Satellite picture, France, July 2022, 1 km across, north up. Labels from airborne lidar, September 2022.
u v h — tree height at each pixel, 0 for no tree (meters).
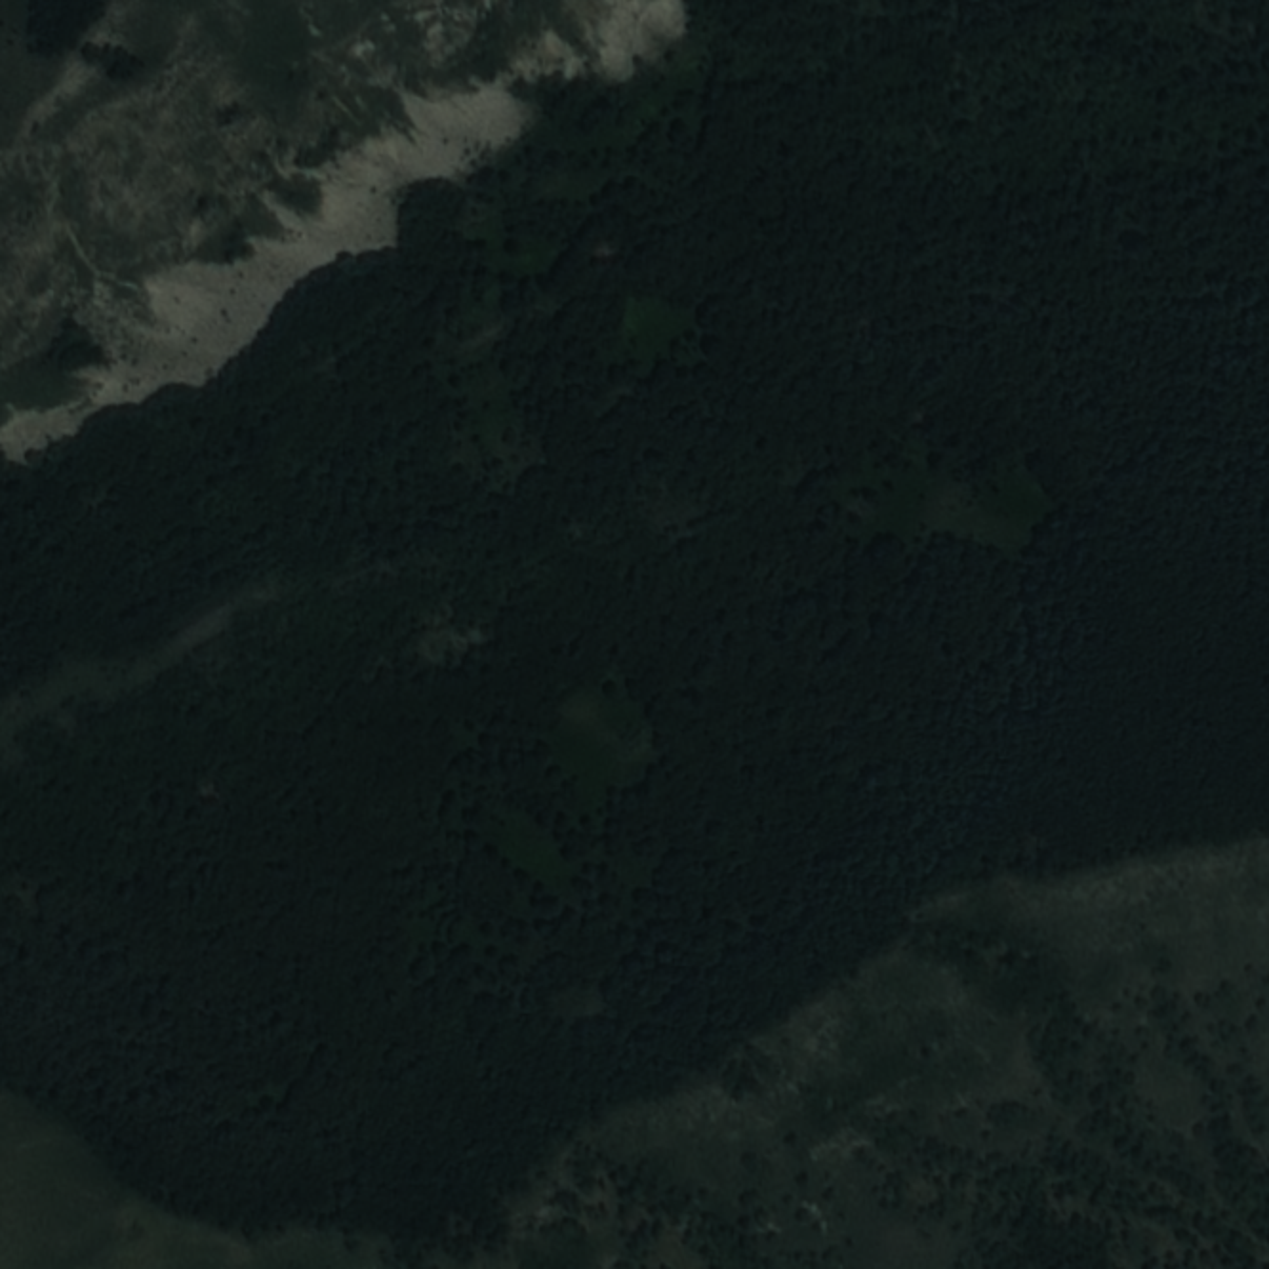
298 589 6
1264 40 21
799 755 19
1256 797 22
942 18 21
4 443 0
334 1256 0
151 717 7
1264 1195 10
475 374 6
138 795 19
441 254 16
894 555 22
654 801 26
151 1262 0
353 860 17
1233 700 25
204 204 9
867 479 0
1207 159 17
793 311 16
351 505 21
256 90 0
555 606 14
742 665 18
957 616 31
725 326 22
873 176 19
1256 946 0
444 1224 14
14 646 14
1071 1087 12
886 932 14
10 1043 18
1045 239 25
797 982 11
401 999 16
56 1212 0
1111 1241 13
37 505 13
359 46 0
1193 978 0
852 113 16
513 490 12
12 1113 0
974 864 7
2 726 0
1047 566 20
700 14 11
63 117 0
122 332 0
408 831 18
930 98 16
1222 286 26
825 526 22
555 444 17
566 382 7
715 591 21
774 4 8
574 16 0
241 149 0
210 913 17
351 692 14
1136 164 9
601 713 0
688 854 14
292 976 13
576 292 7
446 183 10
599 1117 8
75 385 0
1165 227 23
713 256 20
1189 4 15
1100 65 11
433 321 17
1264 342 19
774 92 18
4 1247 0
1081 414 24
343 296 13
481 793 9
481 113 0
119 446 19
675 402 12
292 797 23
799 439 19
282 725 14
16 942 22
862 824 27
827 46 13
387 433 14
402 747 18
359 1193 18
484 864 18
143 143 0
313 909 19
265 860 13
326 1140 12
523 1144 15
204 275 0
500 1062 16
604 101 8
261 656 16
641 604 18
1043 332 22
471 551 19
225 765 20
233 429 14
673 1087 8
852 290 18
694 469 14
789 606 21
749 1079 14
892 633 23
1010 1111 14
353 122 0
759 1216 11
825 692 20
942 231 18
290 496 12
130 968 22
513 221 12
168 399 14
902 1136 14
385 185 0
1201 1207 10
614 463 15
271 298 0
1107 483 26
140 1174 19
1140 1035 9
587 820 14
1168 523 29
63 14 11
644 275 17
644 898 12
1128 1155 10
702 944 21
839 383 21
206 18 0
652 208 11
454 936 11
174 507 14
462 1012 11
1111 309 23
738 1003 12
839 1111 7
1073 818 24
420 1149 16
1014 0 24
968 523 0
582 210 8
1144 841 14
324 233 0
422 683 17
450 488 16
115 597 13
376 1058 12
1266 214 28
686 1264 0
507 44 0
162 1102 16
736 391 17
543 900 12
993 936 10
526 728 17
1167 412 22
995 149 12
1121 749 26
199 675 11
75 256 0
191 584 16
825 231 22
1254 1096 12
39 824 13
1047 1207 17
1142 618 26
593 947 14
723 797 13
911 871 17
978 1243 7
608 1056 15
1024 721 29
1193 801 21
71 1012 17
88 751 7
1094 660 24
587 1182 13
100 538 15
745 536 21
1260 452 29
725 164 21
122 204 0
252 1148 17
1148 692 30
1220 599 32
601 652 18
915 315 23
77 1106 18
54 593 11
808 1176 12
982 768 19
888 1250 0
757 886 14
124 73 9
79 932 16
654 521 8
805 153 25
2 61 0
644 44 0
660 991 13
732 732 17
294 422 15
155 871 16
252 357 14
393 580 10
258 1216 10
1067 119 12
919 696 19
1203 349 23
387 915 16
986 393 24
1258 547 29
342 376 13
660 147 18
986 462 19
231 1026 14
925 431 23
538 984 11
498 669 17
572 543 9
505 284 14
